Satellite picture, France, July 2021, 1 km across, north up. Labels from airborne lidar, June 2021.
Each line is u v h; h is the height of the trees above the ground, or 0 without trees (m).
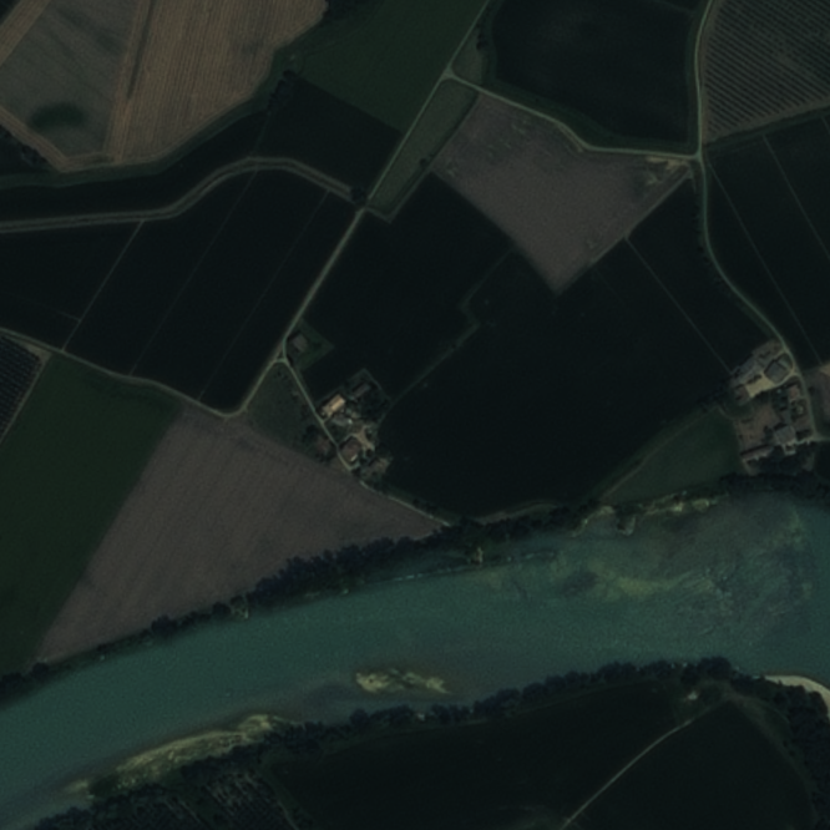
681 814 0
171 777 0
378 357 0
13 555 0
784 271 0
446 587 0
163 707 0
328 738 14
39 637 0
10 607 0
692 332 0
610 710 0
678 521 0
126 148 0
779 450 16
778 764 0
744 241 0
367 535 0
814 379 0
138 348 0
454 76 0
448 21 0
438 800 0
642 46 0
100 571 0
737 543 0
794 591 0
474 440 0
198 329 0
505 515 0
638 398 0
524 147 0
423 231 0
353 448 0
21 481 0
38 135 0
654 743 0
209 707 0
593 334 0
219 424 0
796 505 0
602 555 0
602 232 0
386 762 0
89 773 0
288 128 0
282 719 0
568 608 0
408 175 0
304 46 0
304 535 0
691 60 0
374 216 0
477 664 0
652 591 0
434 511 13
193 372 0
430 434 0
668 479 0
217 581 0
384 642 0
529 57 0
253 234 0
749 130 0
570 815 0
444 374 0
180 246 0
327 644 0
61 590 0
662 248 0
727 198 0
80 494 0
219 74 0
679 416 0
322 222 0
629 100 0
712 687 0
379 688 0
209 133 0
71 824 13
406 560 22
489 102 0
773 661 0
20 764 0
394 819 0
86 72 0
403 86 0
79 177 0
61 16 0
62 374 0
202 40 0
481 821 0
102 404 0
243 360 0
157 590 0
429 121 0
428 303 0
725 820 0
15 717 0
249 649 0
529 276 0
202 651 0
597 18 0
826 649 0
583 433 0
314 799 0
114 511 0
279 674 0
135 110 0
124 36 0
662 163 0
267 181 0
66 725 0
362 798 0
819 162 0
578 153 0
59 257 0
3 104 0
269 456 0
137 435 0
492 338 0
